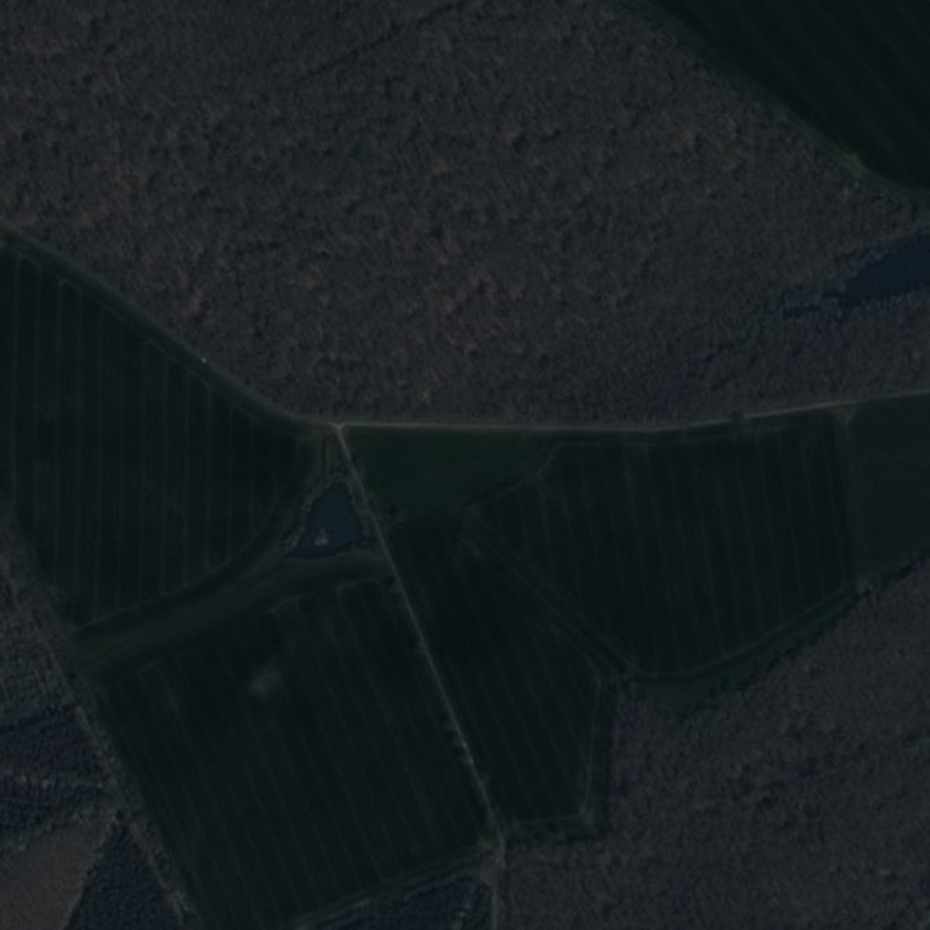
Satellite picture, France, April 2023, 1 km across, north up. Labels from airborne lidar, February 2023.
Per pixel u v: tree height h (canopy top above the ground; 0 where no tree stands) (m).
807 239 20
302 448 0
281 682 0
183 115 20
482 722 0
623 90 22
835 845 23
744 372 14
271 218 17
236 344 18
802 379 23
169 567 0
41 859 14
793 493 0
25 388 0
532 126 19
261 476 0
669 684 0
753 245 24
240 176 23
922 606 23
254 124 17
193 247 20
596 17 18
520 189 21
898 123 0
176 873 18
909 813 22
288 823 0
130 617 0
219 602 0
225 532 0
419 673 0
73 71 15
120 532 0
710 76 15
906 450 0
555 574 0
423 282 14
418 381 16
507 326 15
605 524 0
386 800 0
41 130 17
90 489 0
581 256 15
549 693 0
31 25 14
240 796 0
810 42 0
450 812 0
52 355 0
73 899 14
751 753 22
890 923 19
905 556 0
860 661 18
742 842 23
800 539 0
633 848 19
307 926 0
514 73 15
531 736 0
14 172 18
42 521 0
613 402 20
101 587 0
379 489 0
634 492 0
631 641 0
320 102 19
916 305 14
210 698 0
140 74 16
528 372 22
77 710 14
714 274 18
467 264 21
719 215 20
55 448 0
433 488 0
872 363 23
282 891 0
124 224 21
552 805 0
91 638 0
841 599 0
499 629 0
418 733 0
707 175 18
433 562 0
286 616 0
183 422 0
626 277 17
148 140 18
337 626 0
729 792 22
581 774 0
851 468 0
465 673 0
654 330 11
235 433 0
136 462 0
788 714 18
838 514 0
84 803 14
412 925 15
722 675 0
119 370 0
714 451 0
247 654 0
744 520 0
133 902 16
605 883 22
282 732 0
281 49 18
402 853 0
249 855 0
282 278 17
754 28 0
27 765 13
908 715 21
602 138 17
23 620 0
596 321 16
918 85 0
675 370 21
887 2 0
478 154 22
